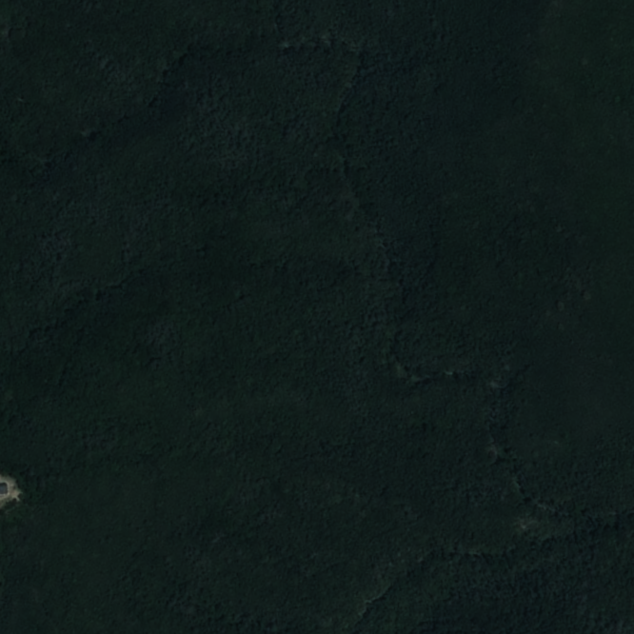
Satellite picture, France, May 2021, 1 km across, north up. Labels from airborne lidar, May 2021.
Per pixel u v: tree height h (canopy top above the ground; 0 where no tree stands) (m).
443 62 12
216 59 21
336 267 24
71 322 20
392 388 18
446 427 13
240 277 19
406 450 12
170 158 8
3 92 12
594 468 9
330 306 13
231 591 10
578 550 15
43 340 22
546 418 5
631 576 15
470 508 9
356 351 15
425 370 24
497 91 9
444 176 6
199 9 10
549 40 6
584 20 5
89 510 7
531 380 6
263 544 12
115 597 13
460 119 7
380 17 8
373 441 16
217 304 19
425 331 12
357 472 16
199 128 18
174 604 18
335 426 8
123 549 8
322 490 10
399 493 9
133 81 11
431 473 15
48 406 13
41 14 15
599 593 13
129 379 9
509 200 7
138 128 17
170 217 15
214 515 19
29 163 24
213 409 8
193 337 7
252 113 8
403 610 11
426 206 11
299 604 13
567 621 13
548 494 15
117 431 16
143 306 14
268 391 9
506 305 7
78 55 11
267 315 15
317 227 11
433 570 12
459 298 13
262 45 17
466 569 14
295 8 11
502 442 20
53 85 7
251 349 12
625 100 13
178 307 13
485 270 6
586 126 6
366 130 7
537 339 8
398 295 23
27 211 17
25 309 11
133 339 9
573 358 7
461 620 16
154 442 10
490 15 8
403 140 8
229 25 11
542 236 7
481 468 17
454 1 8
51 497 8
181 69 28
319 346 13
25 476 14
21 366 18
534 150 6
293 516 13
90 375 14
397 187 11
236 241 16
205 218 14
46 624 7
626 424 8
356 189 23
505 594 20
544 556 13
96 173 18
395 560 15
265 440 15
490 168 7
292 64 11
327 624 17
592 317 6
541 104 6
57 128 17
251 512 7
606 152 5
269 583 11
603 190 7
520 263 12
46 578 9
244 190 26
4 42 8
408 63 14
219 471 9
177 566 6
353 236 9
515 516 9
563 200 6
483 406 19
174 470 7
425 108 8
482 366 17
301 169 18
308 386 11
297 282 16
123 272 18
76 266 8
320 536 13
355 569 12
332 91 11
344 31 9
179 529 12
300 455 9
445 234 10
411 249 9
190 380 10
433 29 9
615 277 5
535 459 5
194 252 21
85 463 14
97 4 24
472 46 15
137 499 7
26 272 15
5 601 7
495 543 13
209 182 14
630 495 12
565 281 10
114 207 9
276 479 14
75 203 18
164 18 19
